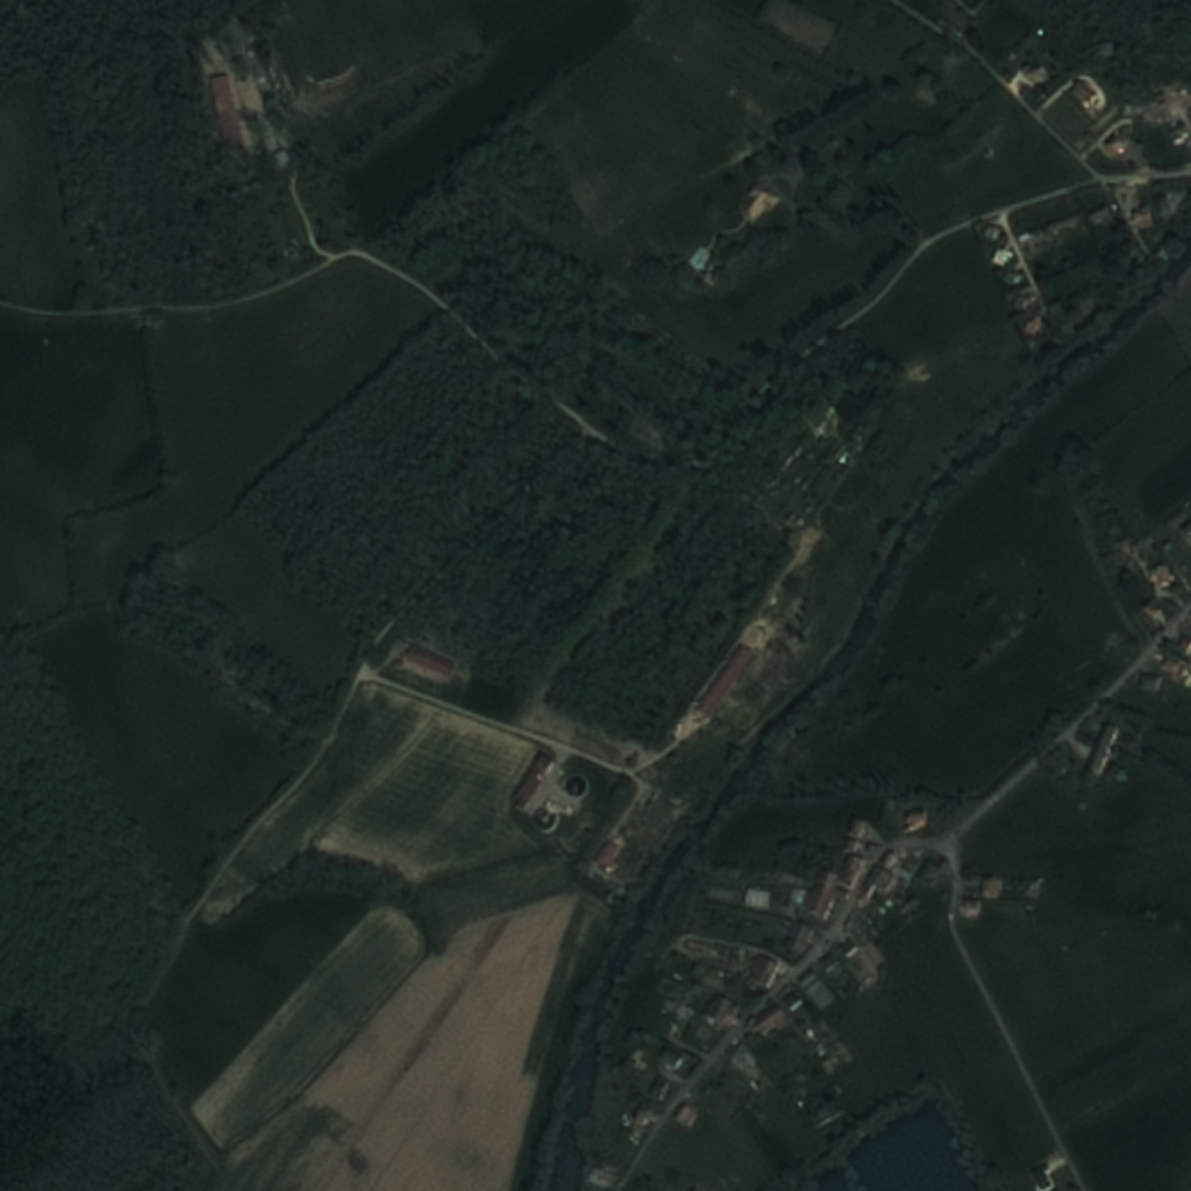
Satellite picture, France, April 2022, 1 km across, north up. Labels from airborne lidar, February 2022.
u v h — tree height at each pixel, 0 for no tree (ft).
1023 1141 0
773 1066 0
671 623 57
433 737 0
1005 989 0
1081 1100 0
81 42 32
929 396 0
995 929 0
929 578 0
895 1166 0
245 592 0
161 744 0
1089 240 0
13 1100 61
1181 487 0
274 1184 0
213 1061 0
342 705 32
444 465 66
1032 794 0
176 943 53
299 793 0
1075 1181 0
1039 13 58
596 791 0
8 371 0
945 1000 0
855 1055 0
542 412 88
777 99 0
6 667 83
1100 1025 0
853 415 23
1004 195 0
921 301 0
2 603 0
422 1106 0
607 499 30
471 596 83
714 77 0
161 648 50
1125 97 58
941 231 0
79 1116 115
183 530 0
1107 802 0
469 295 67
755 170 58
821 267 0
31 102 0
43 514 0
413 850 0
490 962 0
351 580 80
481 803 0
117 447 0
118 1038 71
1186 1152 0
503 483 89
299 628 0
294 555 33
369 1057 0
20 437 0
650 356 73
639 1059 0
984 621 0
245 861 0
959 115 61
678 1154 0
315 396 0
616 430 37
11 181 0
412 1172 0
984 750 0
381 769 0
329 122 0
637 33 0
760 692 0
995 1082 0
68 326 0
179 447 0
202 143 66
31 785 68
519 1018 0
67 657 0
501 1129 0
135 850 58
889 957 0
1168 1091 0
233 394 0
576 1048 50
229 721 0
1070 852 0
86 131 79
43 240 0
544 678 92
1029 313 20
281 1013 0
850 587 0
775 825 0
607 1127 0
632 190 0
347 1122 0
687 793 0
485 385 50
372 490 50
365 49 0
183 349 0
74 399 0
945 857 0
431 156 0
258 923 0
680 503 73
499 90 0
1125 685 0
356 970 0
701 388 60
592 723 74
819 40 0
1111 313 25
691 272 34
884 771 0
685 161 0
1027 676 0
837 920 0
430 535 81
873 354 24
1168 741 0
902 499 0
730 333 0
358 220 51
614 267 0
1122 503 0
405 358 40
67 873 71
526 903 0
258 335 0
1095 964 0
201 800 0
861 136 0
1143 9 29
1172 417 0
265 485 40
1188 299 0
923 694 0
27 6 58
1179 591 32
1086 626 0
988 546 0
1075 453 72
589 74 0
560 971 0
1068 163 0
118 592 0
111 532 0
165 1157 97
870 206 0
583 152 0
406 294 0
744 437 75
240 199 59
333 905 0
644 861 0
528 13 0
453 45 0
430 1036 0
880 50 0
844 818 0
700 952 0
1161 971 0
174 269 56
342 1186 0
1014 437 36
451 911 0
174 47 83
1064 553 0
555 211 57
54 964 66
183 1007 0
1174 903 0
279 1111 0
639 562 49
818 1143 0
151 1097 91
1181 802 0
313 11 0
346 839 0
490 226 67
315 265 35
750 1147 0
